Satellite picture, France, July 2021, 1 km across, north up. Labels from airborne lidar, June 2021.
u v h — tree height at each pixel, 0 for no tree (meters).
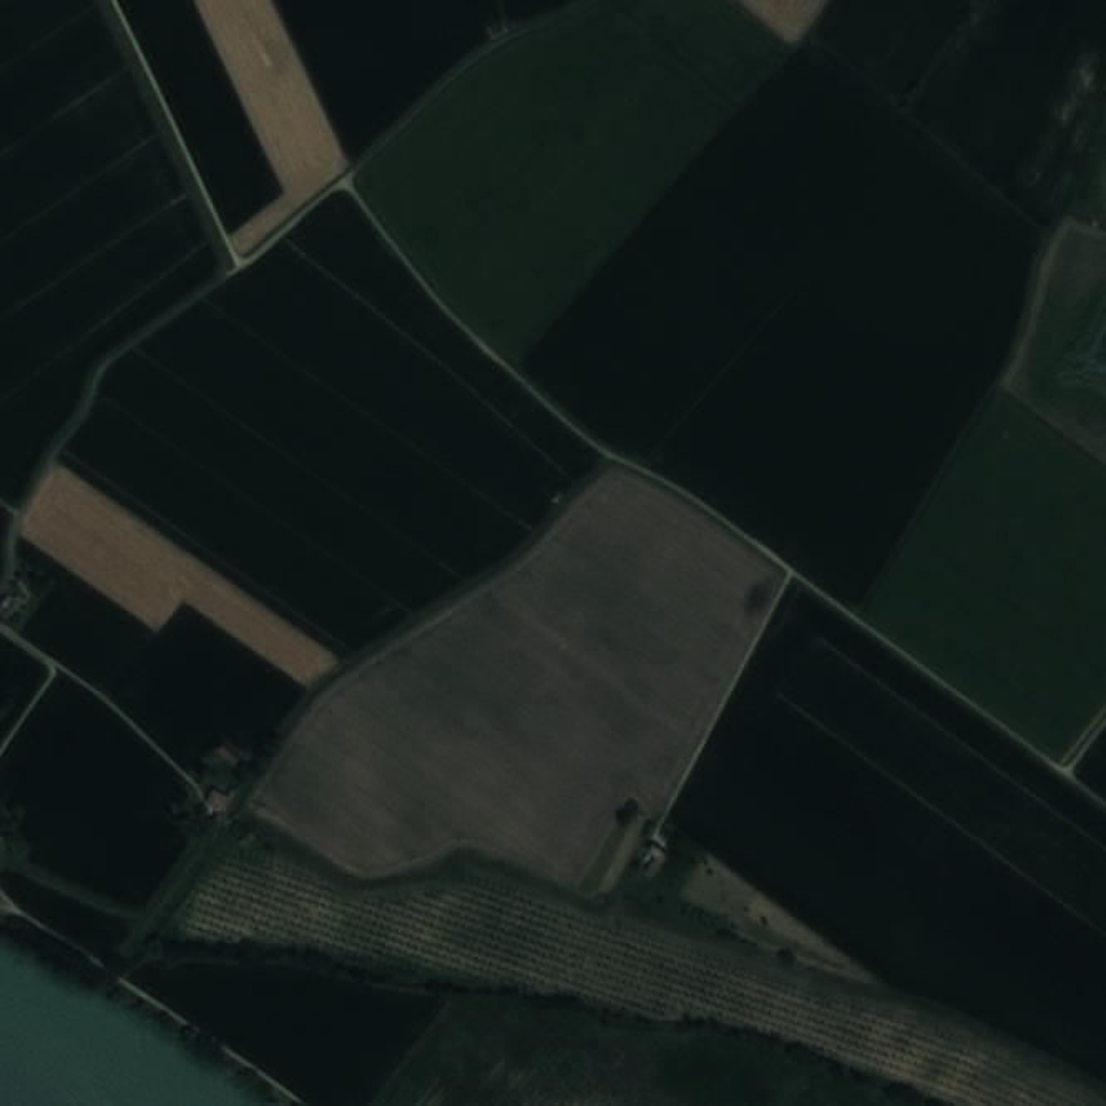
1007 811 0
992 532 0
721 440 0
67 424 0
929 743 0
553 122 0
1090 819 0
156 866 0
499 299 0
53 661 0
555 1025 0
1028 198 0
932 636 0
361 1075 0
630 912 0
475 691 0
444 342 0
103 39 0
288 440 0
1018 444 0
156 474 0
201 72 0
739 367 0
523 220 0
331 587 0
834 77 0
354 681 0
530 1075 0
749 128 0
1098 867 0
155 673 0
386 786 0
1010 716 0
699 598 0
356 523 0
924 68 0
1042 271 0
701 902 0
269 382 0
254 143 0
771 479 0
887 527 0
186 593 0
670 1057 0
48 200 0
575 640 0
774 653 0
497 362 0
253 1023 0
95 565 0
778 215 0
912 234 0
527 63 0
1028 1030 0
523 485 0
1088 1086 0
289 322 0
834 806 0
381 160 0
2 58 0
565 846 0
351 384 0
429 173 0
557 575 0
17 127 0
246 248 0
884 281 0
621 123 0
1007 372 0
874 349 0
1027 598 0
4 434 0
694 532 0
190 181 0
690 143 0
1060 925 0
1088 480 0
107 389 0
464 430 0
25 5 0
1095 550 0
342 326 0
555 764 0
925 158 0
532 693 0
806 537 0
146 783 0
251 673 0
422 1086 0
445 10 0
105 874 0
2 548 0
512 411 0
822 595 0
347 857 0
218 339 0
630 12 0
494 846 0
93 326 0
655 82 0
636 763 0
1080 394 0
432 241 0
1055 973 0
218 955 19
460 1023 0
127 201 0
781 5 0
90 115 0
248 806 0
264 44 0
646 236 0
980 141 0
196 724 0
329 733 0
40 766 0
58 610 0
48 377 0
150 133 0
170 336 0
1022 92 0
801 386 0
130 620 0
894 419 0
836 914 0
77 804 0
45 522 0
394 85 0
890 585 0
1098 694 0
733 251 0
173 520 0
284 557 0
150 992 0
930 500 0
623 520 0
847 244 0
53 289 0
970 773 0
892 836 0
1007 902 0
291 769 0
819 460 0
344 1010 0
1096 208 0
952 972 0
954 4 0
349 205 0
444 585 0
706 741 0
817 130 0
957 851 0
